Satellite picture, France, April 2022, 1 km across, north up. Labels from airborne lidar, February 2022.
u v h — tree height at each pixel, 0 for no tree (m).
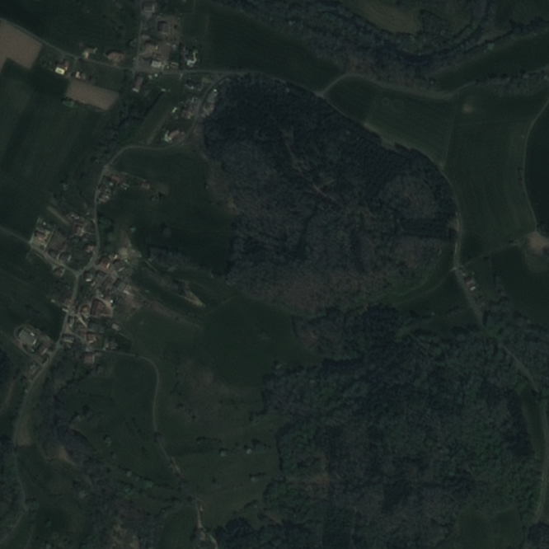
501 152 0
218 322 0
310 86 0
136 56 0
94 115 0
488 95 0
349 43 24
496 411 24
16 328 0
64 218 0
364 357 21
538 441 0
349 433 0
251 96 13
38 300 0
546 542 17
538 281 0
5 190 0
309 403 25
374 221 9
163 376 0
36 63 0
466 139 0
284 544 14
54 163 0
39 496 0
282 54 0
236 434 0
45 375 0
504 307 9
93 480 20
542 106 0
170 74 0
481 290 7
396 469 7
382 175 20
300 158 9
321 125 18
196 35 0
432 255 22
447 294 0
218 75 0
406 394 30
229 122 10
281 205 19
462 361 25
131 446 0
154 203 8
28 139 0
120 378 0
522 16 0
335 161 13
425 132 0
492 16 13
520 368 25
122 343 0
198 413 0
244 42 0
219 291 0
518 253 0
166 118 0
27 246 0
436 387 18
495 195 0
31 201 0
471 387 24
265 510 7
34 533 0
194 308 0
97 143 0
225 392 0
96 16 0
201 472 0
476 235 0
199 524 0
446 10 26
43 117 0
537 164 0
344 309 23
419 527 27
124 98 13
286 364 0
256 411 0
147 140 0
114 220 0
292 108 14
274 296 27
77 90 0
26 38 0
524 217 0
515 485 23
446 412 15
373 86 0
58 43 0
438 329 0
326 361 0
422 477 15
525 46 0
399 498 14
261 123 11
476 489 24
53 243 0
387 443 24
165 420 0
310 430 22
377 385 30
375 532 27
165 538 0
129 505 20
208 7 0
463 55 20
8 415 0
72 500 0
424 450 24
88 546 15
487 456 17
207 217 0
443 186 31
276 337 0
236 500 0
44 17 0
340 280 23
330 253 27
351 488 27
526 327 28
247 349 0
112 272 0
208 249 0
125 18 0
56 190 0
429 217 23
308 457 30
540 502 25
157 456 0
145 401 0
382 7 0
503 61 0
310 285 24
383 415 8
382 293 24
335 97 0
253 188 20
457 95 0
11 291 0
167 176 0
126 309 0
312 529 20
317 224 27
